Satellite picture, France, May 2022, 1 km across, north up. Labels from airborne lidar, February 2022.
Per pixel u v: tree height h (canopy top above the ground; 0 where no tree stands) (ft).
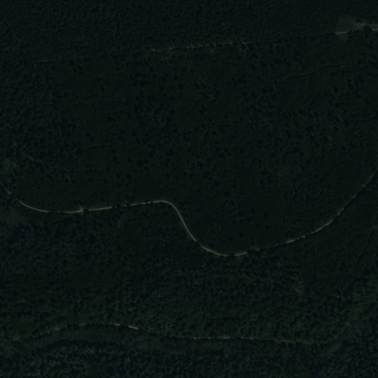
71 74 28
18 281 60
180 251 59
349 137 22
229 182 32
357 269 20
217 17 94
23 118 113
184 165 31
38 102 100
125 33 84
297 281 54
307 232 32
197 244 54
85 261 117
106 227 38
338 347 73
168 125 34
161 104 43
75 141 31
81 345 39
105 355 121
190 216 32
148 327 97
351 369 101
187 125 28
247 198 35
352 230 34
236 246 39
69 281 42
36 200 21
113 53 79
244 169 27
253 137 31
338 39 25
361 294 120
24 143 96
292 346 46
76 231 104
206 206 43
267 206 43
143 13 90
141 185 36
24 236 116
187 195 38
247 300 102
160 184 37
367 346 120
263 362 117
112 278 39
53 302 111
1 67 68
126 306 122
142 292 23
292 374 63
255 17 98
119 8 94
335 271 30
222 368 119
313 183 32
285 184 20
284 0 80
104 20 90
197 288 89
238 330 98
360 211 43
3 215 0
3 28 89
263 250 40
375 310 80
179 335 52
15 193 21
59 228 48
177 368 85
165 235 91
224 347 77
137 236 42
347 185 50
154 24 89
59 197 24
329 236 40
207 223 49
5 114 62
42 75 86
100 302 37
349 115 24
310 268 26
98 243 35
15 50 96
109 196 35
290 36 62
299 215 32
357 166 30
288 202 28
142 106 105
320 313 96
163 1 93
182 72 23
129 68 38
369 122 29
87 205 35
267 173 83
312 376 85
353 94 34
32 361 124
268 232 43
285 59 109
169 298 91
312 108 36
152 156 97
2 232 104
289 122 22
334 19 68
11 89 84
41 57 77
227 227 38
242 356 102
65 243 120
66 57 80
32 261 121
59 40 77
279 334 102
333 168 31
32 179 26
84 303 98
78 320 85
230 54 20
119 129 40
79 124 21
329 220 31
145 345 68
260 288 103
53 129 78
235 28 88
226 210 41
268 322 120
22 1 77
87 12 88
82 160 31
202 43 88
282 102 51
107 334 44
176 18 96
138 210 46
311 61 42
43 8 78
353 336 76
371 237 22
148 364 116
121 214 79
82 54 84
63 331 81
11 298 41
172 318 92
